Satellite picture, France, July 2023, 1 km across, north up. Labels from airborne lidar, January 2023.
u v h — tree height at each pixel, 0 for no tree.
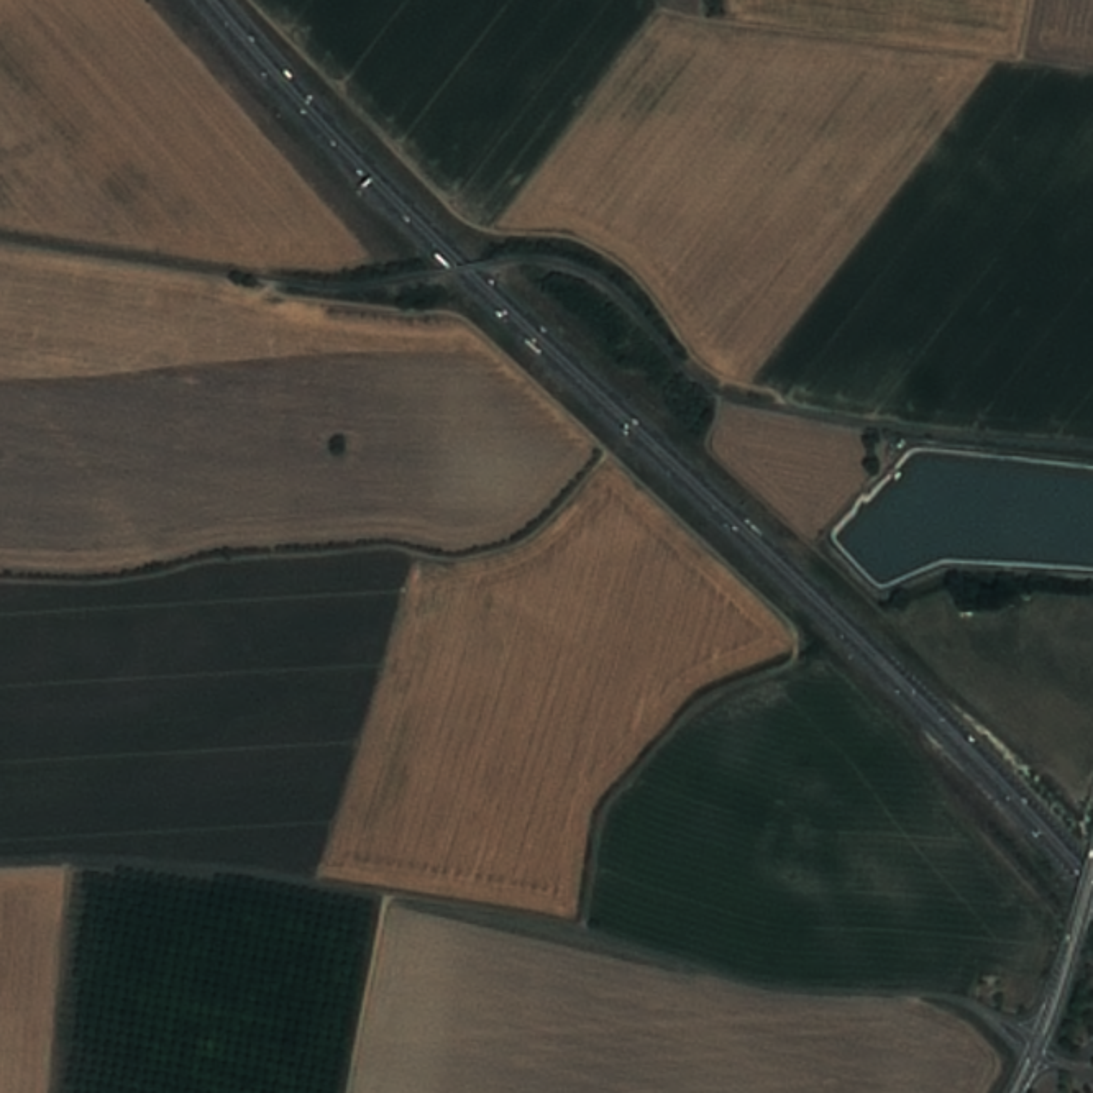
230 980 11
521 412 0
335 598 0
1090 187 0
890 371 0
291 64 0
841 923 0
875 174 0
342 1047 10
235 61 0
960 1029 0
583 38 0
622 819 0
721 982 0
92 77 0
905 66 0
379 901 0
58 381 0
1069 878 0
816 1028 0
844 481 0
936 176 0
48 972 0
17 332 0
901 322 0
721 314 0
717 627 0
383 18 0
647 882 0
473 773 0
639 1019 0
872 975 0
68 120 0
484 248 0
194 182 0
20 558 0
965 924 0
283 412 0
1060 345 0
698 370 0
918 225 0
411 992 0
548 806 0
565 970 0
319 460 0
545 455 0
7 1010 0
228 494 0
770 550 0
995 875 0
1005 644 0
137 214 0
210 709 0
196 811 0
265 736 0
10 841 0
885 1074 0
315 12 0
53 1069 0
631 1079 0
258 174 0
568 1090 0
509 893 0
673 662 0
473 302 0
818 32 0
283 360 0
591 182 0
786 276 0
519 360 0
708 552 0
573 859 0
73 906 0
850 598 0
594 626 0
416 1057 0
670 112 0
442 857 0
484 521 0
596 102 0
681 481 0
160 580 0
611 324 11
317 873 0
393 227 0
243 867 0
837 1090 0
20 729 0
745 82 0
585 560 0
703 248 0
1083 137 0
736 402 0
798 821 0
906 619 0
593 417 0
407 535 0
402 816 0
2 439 0
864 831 0
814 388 0
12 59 0
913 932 0
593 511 0
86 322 0
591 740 0
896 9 0
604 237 0
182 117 0
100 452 0
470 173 0
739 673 0
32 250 0
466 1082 0
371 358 0
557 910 0
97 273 0
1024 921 0
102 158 0
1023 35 0
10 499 0
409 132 0
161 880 8
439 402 0
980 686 0
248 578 0
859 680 0
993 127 0
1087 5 0
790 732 0
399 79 0
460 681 0
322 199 0
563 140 0
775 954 0
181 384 0
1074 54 0
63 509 0
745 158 0
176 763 0
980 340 0
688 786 0
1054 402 0
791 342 0
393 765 0
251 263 0
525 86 0
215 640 0
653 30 0
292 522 0
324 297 0
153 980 10
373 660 0
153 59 0
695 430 8
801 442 0
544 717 0
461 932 0
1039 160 0
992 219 0
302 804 0
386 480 0
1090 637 0
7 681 0
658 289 0
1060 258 0
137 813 0
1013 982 0
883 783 0
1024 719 0
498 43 0
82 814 0
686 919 0
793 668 0
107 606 0
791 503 0
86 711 0
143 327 0
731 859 0
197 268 0
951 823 0
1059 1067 0
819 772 0
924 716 0
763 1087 0
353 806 0
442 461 0
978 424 0
